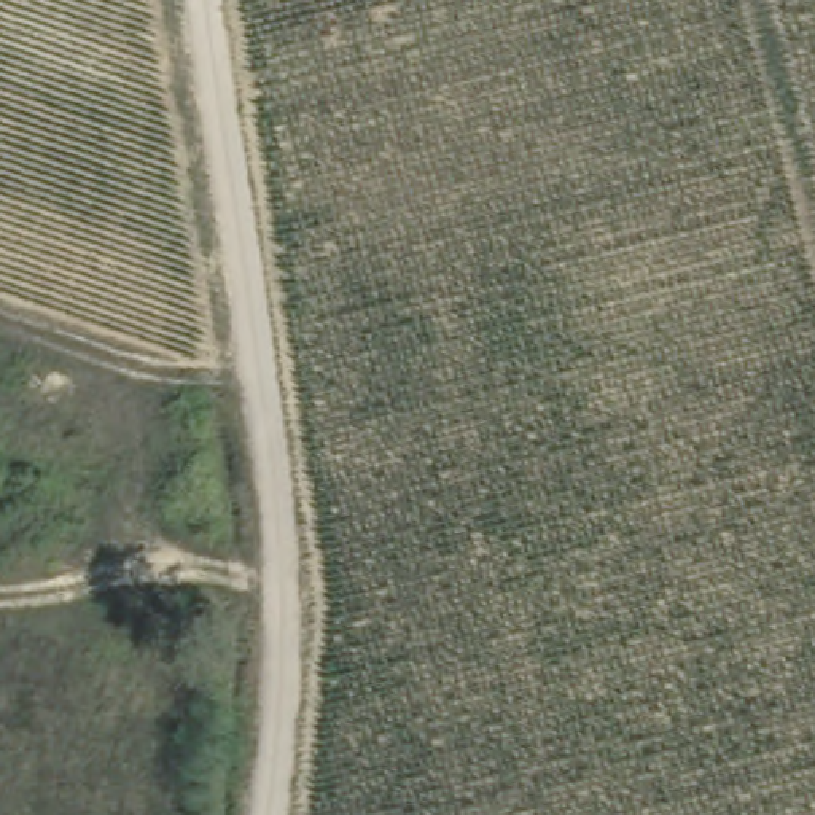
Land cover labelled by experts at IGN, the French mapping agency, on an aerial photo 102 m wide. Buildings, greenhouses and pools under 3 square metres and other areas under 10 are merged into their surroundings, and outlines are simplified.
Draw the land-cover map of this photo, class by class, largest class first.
<instances>
[{"label":"vineyard","instance_id":"1","mask_svg":"<svg viewBox=\"0 0 815 815\"><path fill-rule=\"evenodd\" d=\"M185 0H0V315L29 322L35 328H54L64 337L92 344L115 357L140 360L146 363L143 369H111L137 382L232 385L239 379L223 252L216 248L220 236L207 175V143L201 134L197 102L191 92L194 60L185 48L181 29ZM248 70L258 96L255 124L261 140L267 204L277 242L274 261L280 271L287 341L293 353V379L299 398V414L283 420L296 522L299 592V704L293 723V770L287 815H815V0H239Z\"/></svg>","mask_w":815,"mask_h":815},{"label":"herbaceous vegetation","instance_id":"2","mask_svg":"<svg viewBox=\"0 0 815 815\"><path fill-rule=\"evenodd\" d=\"M143 369L146 363L140 360L115 357L92 344L64 337L54 328H35L29 322L0 315V436L6 439L13 458L38 462L41 474V484L29 497V503H16L0 513V583H29L60 573L86 576L92 560L124 563L137 554L150 557L166 544H175L201 557L239 560L245 567L258 563L261 557V506L248 455L239 379L232 385L137 382L111 369ZM210 602V611L194 618L191 630L178 640L175 659H162L150 646H134L131 630L108 624L105 608L89 595L60 605L0 608V815H175L172 793L159 790V783L153 780L159 751L156 716L169 710L172 694L181 684L207 691L223 713H236L239 719L258 726L264 659L261 595L216 583H194Z\"/></svg>","mask_w":815,"mask_h":815},{"label":"impervious surface","instance_id":"3","mask_svg":"<svg viewBox=\"0 0 815 815\"><path fill-rule=\"evenodd\" d=\"M181 29L185 48L194 60L191 92L197 102L201 134L207 143V175L220 236L216 248L223 252L239 379L248 455L261 506V595L264 659L258 726V758L252 774V796L242 805L245 815H287L293 770V723L299 704V592L296 522L283 420L274 376L261 252L245 181V156L236 118L232 67L220 0H185Z\"/></svg>","mask_w":815,"mask_h":815},{"label":"pervious surface","instance_id":"4","mask_svg":"<svg viewBox=\"0 0 815 815\"><path fill-rule=\"evenodd\" d=\"M232 67L236 118L245 156V181L261 252L274 376L283 420L299 414V398L293 379V353L287 341L280 271L274 261L277 242L267 204L261 140L255 124L258 96L248 70L239 0H220ZM131 583H216L261 595V557L258 563L245 567L239 560L201 557L175 544H166L150 557L137 554L124 563L92 560L86 576L60 573L29 583H0V608L60 605L89 595Z\"/></svg>","mask_w":815,"mask_h":815},{"label":"brushwood","instance_id":"5","mask_svg":"<svg viewBox=\"0 0 815 815\"><path fill-rule=\"evenodd\" d=\"M41 484V474L38 462L13 458L6 439L0 436V513L16 503H29V497ZM159 751L153 780L159 783V790L172 793L175 815H245L242 805L252 796V774L258 758V726L239 719L236 713H223L207 691L181 684L172 694L169 710L156 716Z\"/></svg>","mask_w":815,"mask_h":815},{"label":"deciduous trees","instance_id":"6","mask_svg":"<svg viewBox=\"0 0 815 815\"><path fill-rule=\"evenodd\" d=\"M89 595L105 608L108 624L131 630L134 646H150L162 659H175L178 640L191 630L194 618L210 611V602L194 583H131Z\"/></svg>","mask_w":815,"mask_h":815}]
</instances>
